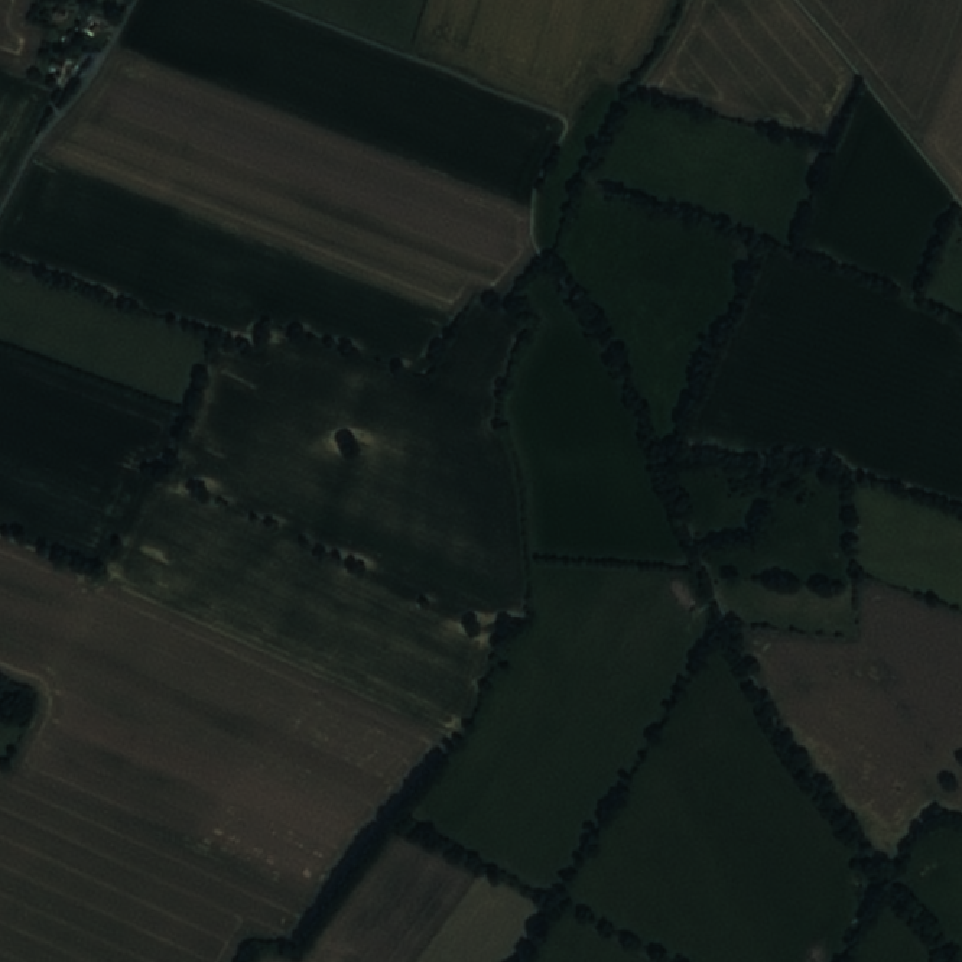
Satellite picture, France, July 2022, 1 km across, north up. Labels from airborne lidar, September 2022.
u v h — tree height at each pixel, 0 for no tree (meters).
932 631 0
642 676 0
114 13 20
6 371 0
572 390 0
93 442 0
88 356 0
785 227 0
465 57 0
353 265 0
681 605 0
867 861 20
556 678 0
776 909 0
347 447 21
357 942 0
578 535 0
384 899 0
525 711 0
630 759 0
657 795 0
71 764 0
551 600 0
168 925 0
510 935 0
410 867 0
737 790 0
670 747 0
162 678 0
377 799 0
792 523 0
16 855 0
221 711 0
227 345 19
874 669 0
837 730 0
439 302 0
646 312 0
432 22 0
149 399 10
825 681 0
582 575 0
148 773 0
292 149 0
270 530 12
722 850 0
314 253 0
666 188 0
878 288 15
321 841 0
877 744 0
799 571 0
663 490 18
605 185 12
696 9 0
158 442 0
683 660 0
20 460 0
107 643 0
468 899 0
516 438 0
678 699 13
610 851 0
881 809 0
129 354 0
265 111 0
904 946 0
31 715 16
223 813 0
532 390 0
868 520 0
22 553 0
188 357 0
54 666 0
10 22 0
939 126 0
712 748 0
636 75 12
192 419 19
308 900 0
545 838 0
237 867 0
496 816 0
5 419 0
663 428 0
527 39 0
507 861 0
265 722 0
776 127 17
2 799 0
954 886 0
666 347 0
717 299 0
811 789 17
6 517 0
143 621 0
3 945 0
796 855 0
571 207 13
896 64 0
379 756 0
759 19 0
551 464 0
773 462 16
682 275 0
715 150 0
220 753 0
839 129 21
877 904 24
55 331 0
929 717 0
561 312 0
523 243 0
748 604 0
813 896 0
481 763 0
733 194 0
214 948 0
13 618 0
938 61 0
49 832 0
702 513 0
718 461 21
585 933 0
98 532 0
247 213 0
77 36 11
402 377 13
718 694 0
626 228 0
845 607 0
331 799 0
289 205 0
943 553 0
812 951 0
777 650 0
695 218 23
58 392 0
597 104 0
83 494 0
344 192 0
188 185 0
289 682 0
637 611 0
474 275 0
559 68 0
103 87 0
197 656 0
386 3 0
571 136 0
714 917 0
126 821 0
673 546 0
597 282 0
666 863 0
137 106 0
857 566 11
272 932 0
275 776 0
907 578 0
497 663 6
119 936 0
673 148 0
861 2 0
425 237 0
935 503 16
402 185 0
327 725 0
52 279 19
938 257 20
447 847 14
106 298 18
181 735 0
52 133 0
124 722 0
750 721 0
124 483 0
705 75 0
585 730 0
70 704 0
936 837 0
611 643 0
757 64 0
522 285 13
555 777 0
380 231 0
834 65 0
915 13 0
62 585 0
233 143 0
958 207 11
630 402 13
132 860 0
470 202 0
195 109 0
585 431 0
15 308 0
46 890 0
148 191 0
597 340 14
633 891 0
